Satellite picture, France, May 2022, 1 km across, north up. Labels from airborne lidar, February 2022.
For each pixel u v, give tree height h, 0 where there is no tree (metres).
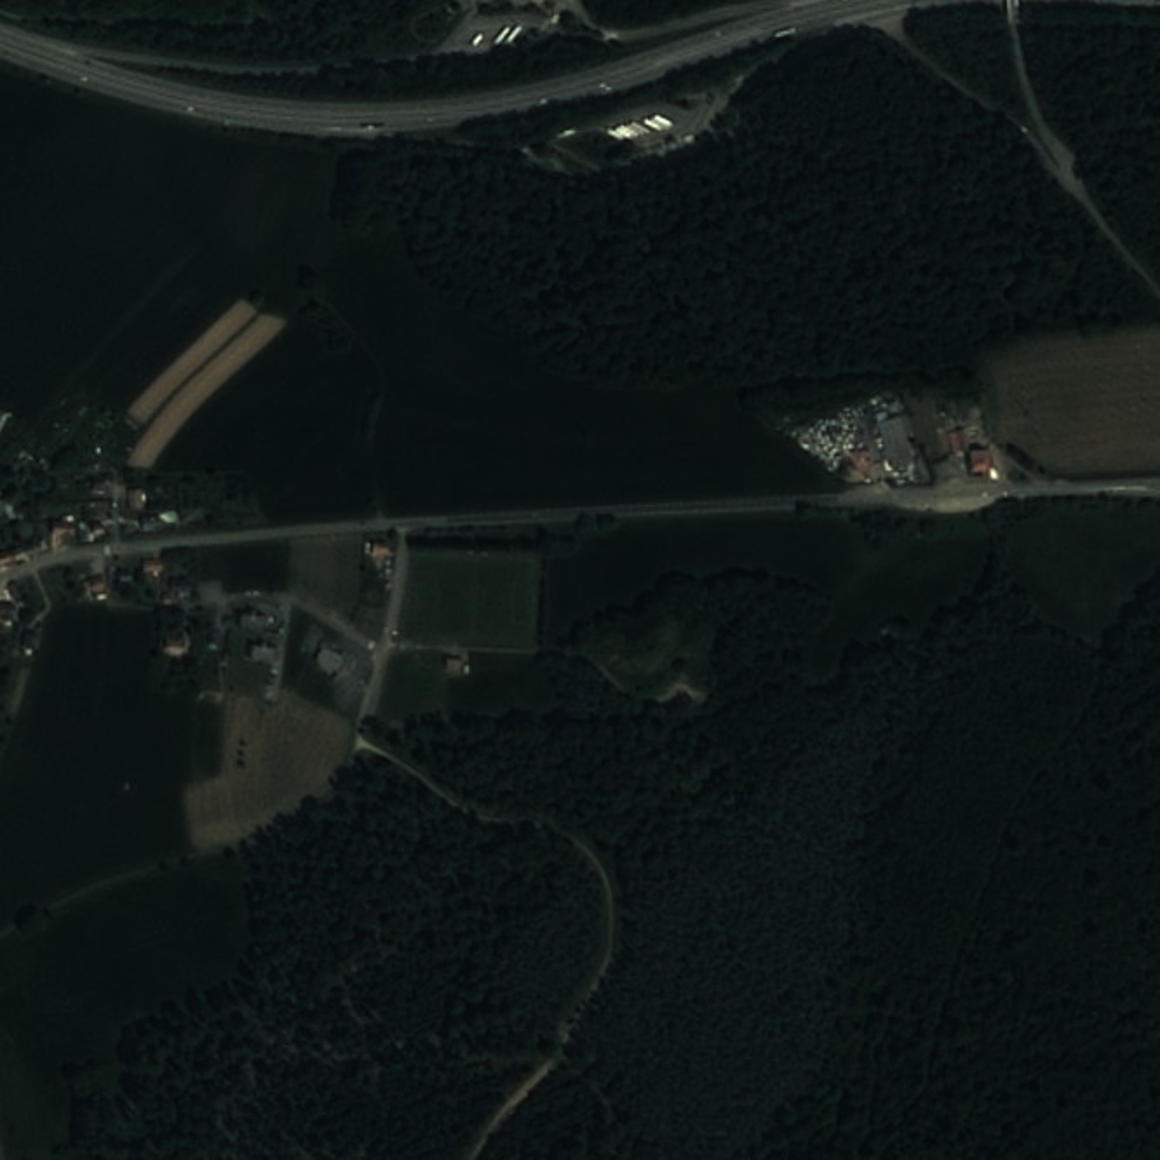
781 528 0
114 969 0
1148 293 14
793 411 9
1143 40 20
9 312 0
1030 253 17
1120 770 12
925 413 0
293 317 0
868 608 0
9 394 0
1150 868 16
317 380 0
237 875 0
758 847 26
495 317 23
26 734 0
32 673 0
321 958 26
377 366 0
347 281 0
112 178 0
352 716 0
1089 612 0
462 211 25
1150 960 17
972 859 16
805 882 28
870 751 23
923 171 25
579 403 0
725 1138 24
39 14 0
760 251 25
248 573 0
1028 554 0
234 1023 28
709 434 0
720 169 28
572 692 20
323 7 26
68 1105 0
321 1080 8
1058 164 0
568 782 29
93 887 0
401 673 0
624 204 28
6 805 0
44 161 0
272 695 0
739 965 23
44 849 0
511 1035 28
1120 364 0
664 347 26
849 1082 28
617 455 0
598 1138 29
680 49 0
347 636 0
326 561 0
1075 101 26
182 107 0
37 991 0
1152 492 0
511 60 17
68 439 0
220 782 0
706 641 0
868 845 21
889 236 29
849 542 0
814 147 29
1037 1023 15
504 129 19
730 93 0
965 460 0
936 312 26
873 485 0
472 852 30
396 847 28
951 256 28
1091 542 0
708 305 29
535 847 27
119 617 0
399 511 0
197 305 0
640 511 0
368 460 0
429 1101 12
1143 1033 20
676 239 28
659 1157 16
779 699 21
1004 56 16
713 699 10
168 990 0
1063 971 13
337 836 22
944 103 25
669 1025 23
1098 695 12
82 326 0
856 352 24
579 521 8
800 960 28
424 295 0
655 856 25
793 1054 26
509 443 0
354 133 0
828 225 26
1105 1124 15
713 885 25
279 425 0
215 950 0
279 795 0
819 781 26
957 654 25
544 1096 7
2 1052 0
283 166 0
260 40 17
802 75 28
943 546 0
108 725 0
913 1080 20
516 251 10
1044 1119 15
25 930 16
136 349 0
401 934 15
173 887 0
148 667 0
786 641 18
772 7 0
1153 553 0
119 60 0
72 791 0
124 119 0
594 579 0
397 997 12
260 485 0
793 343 28
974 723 21
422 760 17
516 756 29
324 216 0
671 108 0
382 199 32
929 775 22
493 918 6
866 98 30
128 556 0
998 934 11
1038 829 13
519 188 26
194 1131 30
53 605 0
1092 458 0
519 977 26
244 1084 26
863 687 23
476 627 0
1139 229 13
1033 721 20
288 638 0
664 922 26
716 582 12
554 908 21
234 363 0
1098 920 13
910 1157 14
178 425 0
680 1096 25
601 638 12
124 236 0
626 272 31
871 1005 14
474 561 0
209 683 0
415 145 15
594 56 16
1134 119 25
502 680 0
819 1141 12
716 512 0
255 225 0
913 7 0
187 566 5
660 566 0
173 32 19
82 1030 0
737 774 15
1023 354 0
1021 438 0
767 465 0
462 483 0
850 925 27
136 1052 31
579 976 27
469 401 0
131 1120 31
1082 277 13
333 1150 27
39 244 0
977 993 20
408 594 0
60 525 0
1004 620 20
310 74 0
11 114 0
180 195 0
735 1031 25
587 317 27
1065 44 17
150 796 0
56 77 0
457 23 0
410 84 16
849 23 0
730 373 25
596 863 0
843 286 28
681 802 23
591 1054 15
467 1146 8
